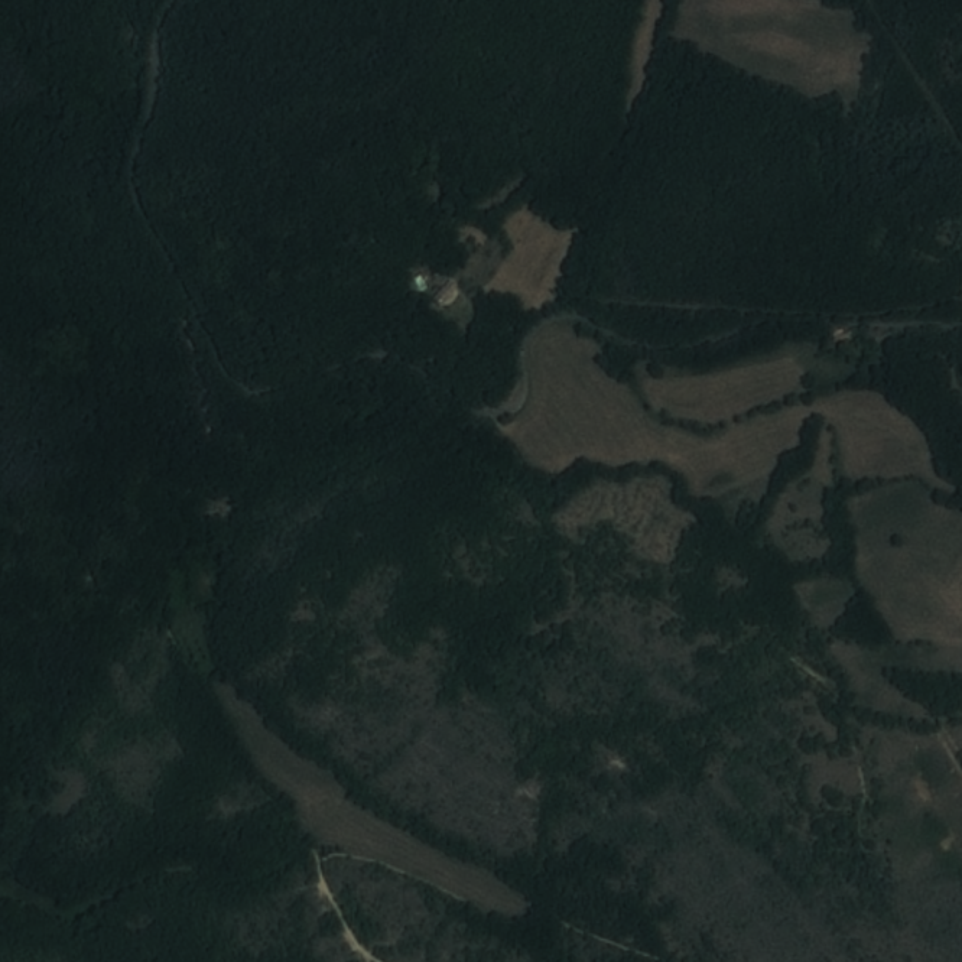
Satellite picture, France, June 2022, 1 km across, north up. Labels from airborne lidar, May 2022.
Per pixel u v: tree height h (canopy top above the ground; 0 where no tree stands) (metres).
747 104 16
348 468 10
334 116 15
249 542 12
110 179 18
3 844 13
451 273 15
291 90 14
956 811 0
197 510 23
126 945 11
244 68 14
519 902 0
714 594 13
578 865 11
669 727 9
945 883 0
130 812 7
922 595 0
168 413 23
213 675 11
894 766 0
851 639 11
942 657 0
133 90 9
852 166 14
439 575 12
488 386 20
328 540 10
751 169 9
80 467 12
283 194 17
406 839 0
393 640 6
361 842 0
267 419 19
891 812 0
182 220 19
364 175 17
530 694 8
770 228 12
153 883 12
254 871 16
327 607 6
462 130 15
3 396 20
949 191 14
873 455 0
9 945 9
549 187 21
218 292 18
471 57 12
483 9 13
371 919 7
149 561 21
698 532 15
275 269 20
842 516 14
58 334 20
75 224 16
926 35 8
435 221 24
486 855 6
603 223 20
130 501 21
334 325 17
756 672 6
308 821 0
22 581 13
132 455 24
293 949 9
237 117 12
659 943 11
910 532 0
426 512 14
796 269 15
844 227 15
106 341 24
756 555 14
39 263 26
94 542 14
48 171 16
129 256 20
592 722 10
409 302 14
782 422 0
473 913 15
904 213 7
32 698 20
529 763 10
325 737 6
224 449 20
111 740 6
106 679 10
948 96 9
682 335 16
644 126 18
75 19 19
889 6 8
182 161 17
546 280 0
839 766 0
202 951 11
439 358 17
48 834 13
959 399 12
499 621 11
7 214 20
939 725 9
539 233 0
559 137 16
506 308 21
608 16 16
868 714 12
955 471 19
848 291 17
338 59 14
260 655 8
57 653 21
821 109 19
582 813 10
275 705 9
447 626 8
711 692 7
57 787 9
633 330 12
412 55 13
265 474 22
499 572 9
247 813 10
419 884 6
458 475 16
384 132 13
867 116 8
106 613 19
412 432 17
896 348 19
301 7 15
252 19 15
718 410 0
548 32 16
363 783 10
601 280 16
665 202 13
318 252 17
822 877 8
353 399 24
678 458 0
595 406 0
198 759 12
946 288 13
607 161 19
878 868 16
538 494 13
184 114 13
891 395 21
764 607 10
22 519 11
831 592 0
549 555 10
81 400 19
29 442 16
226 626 12
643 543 0
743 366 0
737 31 0
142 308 19
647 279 12
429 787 5
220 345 18
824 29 0
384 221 19
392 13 14
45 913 17
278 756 0
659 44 15
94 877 18
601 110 17
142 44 8
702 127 19
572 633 11
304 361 16
